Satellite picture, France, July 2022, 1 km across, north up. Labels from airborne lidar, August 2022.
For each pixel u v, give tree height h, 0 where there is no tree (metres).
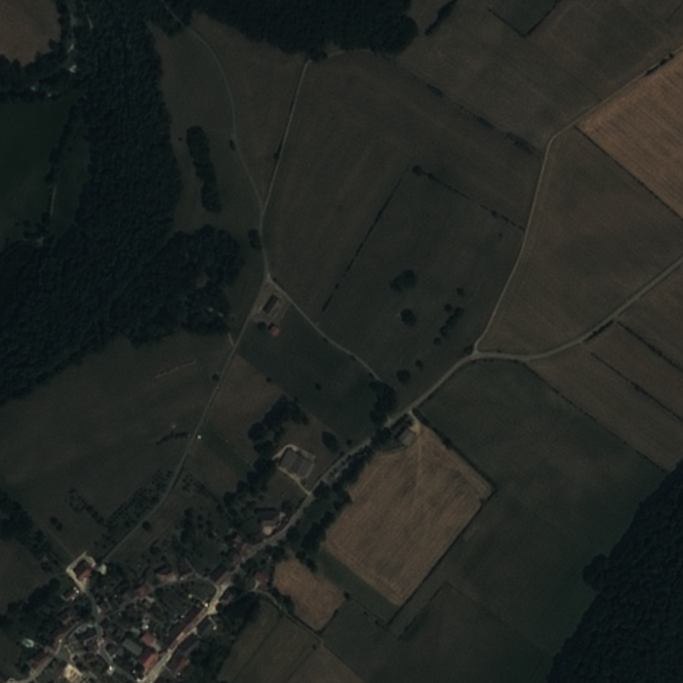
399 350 0
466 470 0
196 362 0
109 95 18
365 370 0
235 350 0
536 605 0
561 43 0
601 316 0
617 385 0
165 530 0
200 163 17
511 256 0
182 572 0
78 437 0
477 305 0
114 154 19
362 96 0
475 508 0
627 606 24
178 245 22
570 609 0
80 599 6
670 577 17
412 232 0
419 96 0
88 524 0
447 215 0
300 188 0
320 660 0
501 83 0
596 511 0
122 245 15
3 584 0
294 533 19
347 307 0
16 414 0
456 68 0
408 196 0
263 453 16
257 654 0
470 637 0
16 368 18
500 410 0
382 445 11
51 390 0
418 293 0
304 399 0
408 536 0
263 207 0
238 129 0
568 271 0
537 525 0
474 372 0
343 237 0
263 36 19
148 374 0
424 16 0
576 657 19
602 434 0
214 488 0
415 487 0
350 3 21
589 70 0
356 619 0
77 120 19
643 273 0
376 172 0
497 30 0
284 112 0
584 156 0
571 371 0
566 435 0
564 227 0
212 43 0
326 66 0
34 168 0
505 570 0
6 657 0
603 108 0
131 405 0
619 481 0
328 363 0
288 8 19
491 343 0
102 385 0
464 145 0
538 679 0
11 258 8
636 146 0
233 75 0
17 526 15
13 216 0
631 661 18
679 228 0
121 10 7
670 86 0
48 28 0
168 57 0
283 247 0
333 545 0
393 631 0
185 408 0
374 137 0
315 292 0
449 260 0
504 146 0
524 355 0
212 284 15
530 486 0
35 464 0
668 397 0
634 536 21
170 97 0
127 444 0
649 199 0
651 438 0
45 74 12
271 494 0
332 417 0
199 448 0
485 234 0
